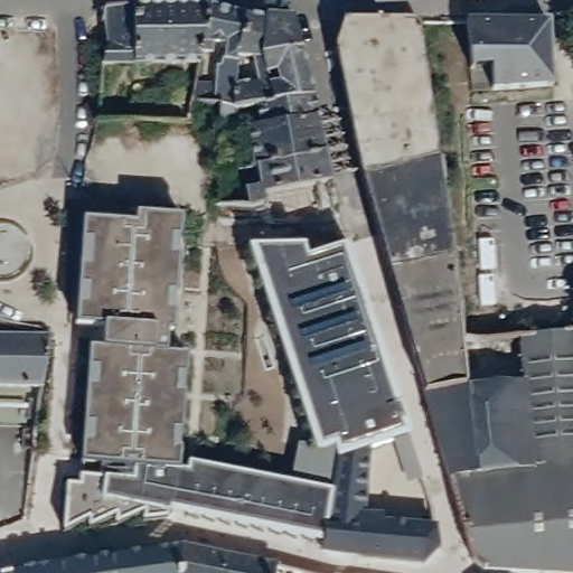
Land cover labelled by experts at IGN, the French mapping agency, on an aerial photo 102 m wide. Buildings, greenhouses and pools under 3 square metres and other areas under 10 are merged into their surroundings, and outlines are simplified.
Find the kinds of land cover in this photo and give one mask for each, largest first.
<instances>
[{"label":"building","instance_id":"1","mask_svg":"<svg viewBox=\"0 0 573 573\"><path fill-rule=\"evenodd\" d=\"M300 13H295L289 4L284 9L248 11L246 7H233L222 0H114L103 4V27L107 38L105 56L101 65L112 67L116 60L139 58L143 65L181 67L188 69V90H175L172 105L132 103L125 96H98L87 94L83 98L87 114H145V123H166L170 128L168 134L190 137L188 130L192 123V114L188 112L192 96L222 98V114H233V112H237V110H242V107H251V105H255L260 114H257V116H255L253 121V168H257L260 179L246 186V199H231L217 201L219 208L264 210L273 206L266 190L278 184L309 179L311 186L327 188L338 181V175H331L329 168V148H313V141H320L318 128L322 125L318 121V112H325V116H338V105L329 78V51L322 49L316 56L309 54L307 40L291 22ZM219 43L224 45V56L215 67V81H204V74L197 72L195 63H206ZM555 20H544L542 9L537 13H470L468 27L472 60L481 67L483 60H492V87H546V81L555 72ZM338 49L358 150L365 166L367 188L401 289L405 316L414 336V345L407 347L405 354L412 365L419 401L439 459L454 526L470 555V566L506 573H573V325L557 329H535V336L519 338V358L524 374L492 378L470 376V351L463 345V336L468 331L466 316L461 313L457 302L454 244L448 197L443 177L441 159L434 152L439 145V134L432 107V81L428 72L423 31L405 13H347L338 34ZM186 215L184 210H177L172 206H139L134 215L85 213L83 217L78 325H98L105 329L103 340H92L90 345L83 461H101V470H83L76 479L67 481L65 528H74L83 522H103L105 526H116L123 519L143 515L145 519H170L175 524L262 539L269 548L275 551L282 546V542H298L304 546L320 544L329 551H345L372 557L428 560L439 548V524L432 519L428 506L421 513L398 517L389 515L385 508H372L367 504L376 495L369 492L372 448L394 443L398 434H407L410 430L401 421L403 407L392 394L385 365L378 354L369 318L365 313L363 293L349 266L345 248L351 246L354 239L342 237L320 246H311L307 237H257L251 239V246L313 434L309 441H302L298 443L293 475H284L204 457H190L188 461H184V436L192 434L188 428L190 401L186 396L192 389L195 367L188 347H172V345H170V336L175 334V298L179 271H186V255H188V248L184 242L181 226ZM54 342L49 327L40 320H0V425L18 428L20 423H25L29 410H38V387H43V383L51 385ZM159 542L157 546L98 551L94 555L78 553L76 557H69L58 564L31 560L20 571H16L13 566L0 569V573H275V569L264 557L253 560L213 553L201 555L199 562H181V548L175 546V542H163V537H154Z\"/></svg>","mask_w":573,"mask_h":573},{"label":"impervious surface","instance_id":"2","mask_svg":"<svg viewBox=\"0 0 573 573\"><path fill-rule=\"evenodd\" d=\"M114 0H0V20L22 18L40 31H51L58 27L60 34V110L56 121L60 125V148L56 157L54 177H40L34 181L4 186L0 190V320H40L49 327L54 342L51 385L47 416V454H34V430L25 423H20L18 428L0 425V569L13 566L16 571H20L31 560L58 564L69 557H76L78 553L94 555L98 551L157 546L159 542L154 537H163V542H175V546L181 548V562H199L201 555L213 553L253 560L264 557L275 569V573H506L470 566V555L454 526L439 459L419 401L412 365L405 354L407 347L414 345V336L405 316L401 289L367 188L365 166L358 150L338 49V34L347 13H405L423 31L428 27L452 25L459 22L468 27L470 13H537L542 9L544 20H555V72L546 81V87L555 92L557 101H548L544 105H537L535 101H519L515 105L504 107L475 103L470 105V112H466V121H470V132L475 137L472 159L477 175L479 179H490L492 186V190H477L475 195L479 215L477 237L481 257V304H501L508 309L557 307L566 295V287H573V63L569 54L560 47L557 38L564 36V20L569 9L573 7V0H222L233 7H246L248 11L284 9L289 4L295 13H300L291 22L307 40L309 54L316 56L322 49L329 51V78L338 105V116H325V112H318V121L322 125L318 128L320 141H313V148H329V168L331 175H338V181L327 188L311 186L309 179L278 184L266 190L273 206L264 210L219 208V219L204 228L199 248V251H201V266H199V271H179L175 298V334H188V331H192V334H195V345H192V347H188L195 367L192 389L186 396L190 401L188 428L192 434L199 432L201 403H213L215 401L213 394L201 392L204 360H239V351L228 349H206V329L208 293L210 248L215 242L235 239L239 253L251 246V239L257 237H307L311 246H320L342 237L354 239L351 246L345 248L349 266L363 293L365 313L369 318L378 354L385 365L392 394L403 407L401 421L410 430L407 434H398L394 443L372 448L369 492L376 495L367 504L372 508H385L389 515L398 517L421 513L428 506L432 519L439 524V548L428 560L372 557L345 551H329L320 544L304 546L298 542H282V546L275 551L269 548L262 539L175 524L170 519H145L143 515L123 519L116 526H105L103 522H83L74 528H65L67 481L76 479L83 470H101V461H83L90 345L92 340H103L105 329L98 325H78L83 217L85 213L134 215L139 206H172L168 184L159 177L123 175L116 184H87L85 161L90 159L92 145L94 130L87 128V114L83 98L87 94V85L83 83V47L96 43L98 54L105 56L107 38L103 27V4ZM36 269H43L49 278L58 275L60 291L54 293L51 302H43L31 287V275ZM470 94H486V90L492 87V60H483L481 67L472 60L470 72H466ZM248 340H253V347L257 351L260 369H278L275 347L262 320L248 329ZM535 336V329L504 334L468 331L463 336V345L470 351V376L492 378L524 374L519 358V338Z\"/></svg>","mask_w":573,"mask_h":573},{"label":"herbaceous vegetation","instance_id":"3","mask_svg":"<svg viewBox=\"0 0 573 573\"><path fill-rule=\"evenodd\" d=\"M454 31L443 40L439 38V43L443 47L448 63L445 76L454 112L466 116V112H470V105L475 103L504 107L515 105L519 101H535L537 105H544L548 101H557L555 92L546 87H492L486 90V94H470L466 72H470L472 60L468 27L459 22L452 25ZM38 54L54 58L51 65L45 69V76L49 81V98L60 110V34L58 27L51 31H40ZM257 114H260L255 105H251V107H242V110H237V112H233V114H228V121H231V123H239V121H242V119H246V116H251V121H253L255 116H257ZM119 139L125 150L137 148L141 141L137 128L125 130ZM452 137H445L443 132L439 134V145L434 152L441 159L443 177L448 175V152ZM260 179L257 168H253L239 172L237 188L228 195L231 199H246V186ZM454 244L457 302L461 313L466 316L468 331L504 334L535 329H557L573 325V287H566V295L557 307L508 309L501 304H481V257L477 237L479 215L475 195H468L466 188L459 186V195L448 197ZM219 246V264L226 282L219 291L208 293L206 329L233 331L235 342L228 349L239 351V360H204L201 392L213 394L215 401H224L246 421L251 430L248 445L253 450L239 452L233 445L219 443L222 434L215 428L217 416L213 412V403H201L199 432L192 434L184 436V461H188L190 457H204L284 475H293L298 443L302 441L300 434L293 430L295 419L291 401L284 392V381L278 369H260L257 351L253 347V340H248V329L262 320L253 291V280L246 271L244 260H239V253L235 239L215 242Z\"/></svg>","mask_w":573,"mask_h":573},{"label":"pervious surface","instance_id":"4","mask_svg":"<svg viewBox=\"0 0 573 573\"><path fill-rule=\"evenodd\" d=\"M40 31L22 18L0 20V190L4 186L34 181L40 177H54L56 157L60 148V125L56 121L60 110L49 98V81L45 76V69L51 65L54 58L38 54ZM224 56V45L219 43L206 63H195L197 72L204 74V81H215V67ZM123 175L159 177L168 184L172 206L177 210H184L186 215L206 208V172L199 166V148L190 137L168 134L159 141H141L137 148L125 150L119 139L110 137L101 145H92L90 159L85 161L87 184H116Z\"/></svg>","mask_w":573,"mask_h":573},{"label":"deciduous trees","instance_id":"5","mask_svg":"<svg viewBox=\"0 0 573 573\"><path fill-rule=\"evenodd\" d=\"M560 47L569 54L573 63V7L569 9L564 20V36L557 38ZM105 56L98 54L96 43L83 47V83L87 85V94L98 96L101 65ZM175 90H188V69L181 67L179 72L168 74L154 87L141 85V90H128V85H123L116 96H125L132 103L172 105ZM192 114V123L188 130L190 137L199 148V166L206 172V208L186 215L181 226L184 242L188 248H190V246H197V248H199L204 228L219 219V208L217 201L231 199L228 195L237 188L239 172L253 168V121H251V116H246V119H242V121H239V123H231V121H228V114H222V98L192 96L188 112ZM448 175L443 177L448 197L459 195V186L457 154L448 152ZM239 260H244L246 271L253 280V291L262 320L275 347L278 369L284 381V392L291 401L295 419L293 430L300 434L302 441H309L313 434L251 246L239 253ZM31 287L43 302H51L54 293L60 291L58 275L49 278L43 269H36L31 275ZM170 345H172V347H192V345H195V334H192V331H188V334H175L170 336ZM213 412L217 416L215 428L222 434L219 443L233 445L239 452L253 450L248 445L251 430L246 421L224 401H215L213 403Z\"/></svg>","mask_w":573,"mask_h":573},{"label":"brushwood","instance_id":"6","mask_svg":"<svg viewBox=\"0 0 573 573\"><path fill-rule=\"evenodd\" d=\"M454 31L452 25L428 27L423 31L428 72L432 81V107L439 134L443 132L445 137H452L448 152L457 154L459 186L466 188L468 195H475L477 190H492V186L490 179H479L477 175L472 159L475 137L470 132V121H466V116L454 112L445 76L448 63L443 47L439 43V38L443 40ZM181 67L143 65L139 58L116 60L112 67L101 65L98 96H116L123 85H128V90H141V85L154 87L168 74L179 72ZM145 114H87V128L94 130L92 145H101L110 137L119 139L125 130L137 128L141 141H159L168 134L170 128L166 123H145ZM226 282L219 264V246L215 242L210 248L208 293L219 291ZM199 266H201V251H199V248H197V246H190V248H188V255H186V271H199ZM235 342L233 331L206 329V349H228ZM51 385L43 383V387H38V410H29L25 423L34 430V454H47V416Z\"/></svg>","mask_w":573,"mask_h":573}]
</instances>
